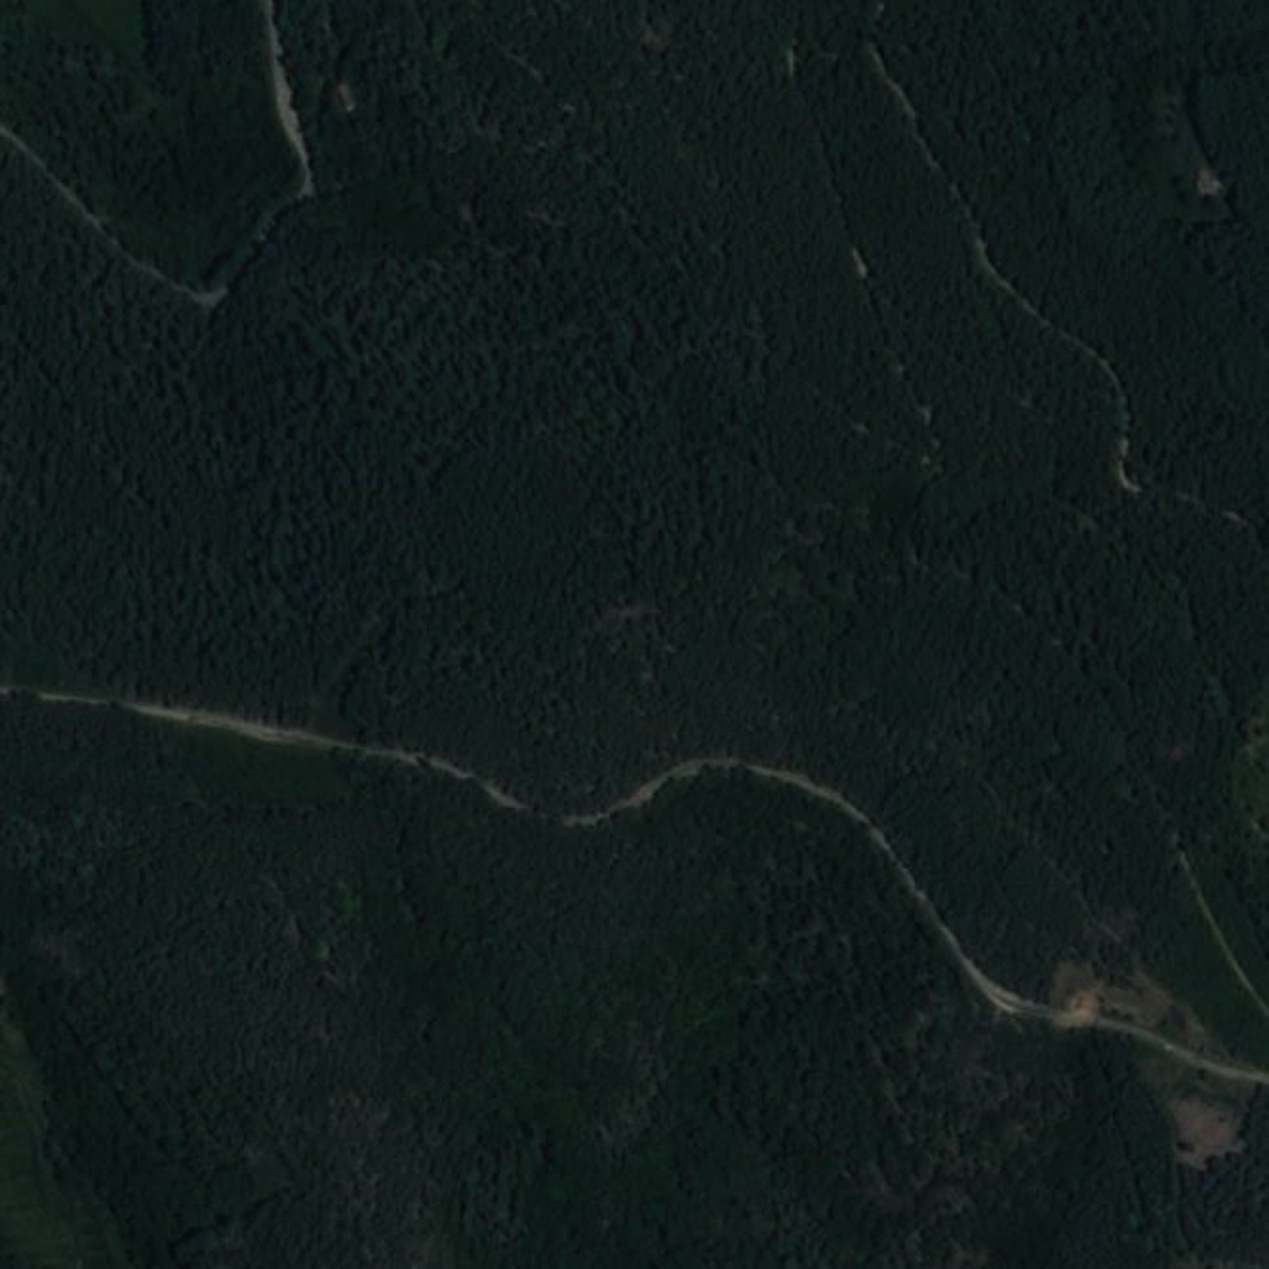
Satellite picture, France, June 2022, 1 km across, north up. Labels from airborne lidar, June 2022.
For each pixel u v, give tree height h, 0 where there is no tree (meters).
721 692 15
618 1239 13
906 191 27
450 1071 24
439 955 26
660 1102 20
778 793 19
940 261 22
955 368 18
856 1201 14
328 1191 10
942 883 22
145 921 20
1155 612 19
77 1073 10
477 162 17
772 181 24
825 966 18
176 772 21
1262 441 18
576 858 19
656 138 16
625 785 16
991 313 13
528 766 18
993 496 26
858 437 16
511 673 19
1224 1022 9
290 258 23
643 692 17
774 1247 15
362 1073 16
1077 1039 8
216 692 22
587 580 19
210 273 8
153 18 32
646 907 22
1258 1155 18
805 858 21
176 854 20
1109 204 33
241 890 17
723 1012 23
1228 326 29
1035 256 23
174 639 23
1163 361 15
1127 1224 24
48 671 8
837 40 30
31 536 27
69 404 23
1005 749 15
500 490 19
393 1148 18
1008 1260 21
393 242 15
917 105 16
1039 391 27
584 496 18
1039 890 16
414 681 24
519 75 17
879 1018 18
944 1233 11
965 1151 14
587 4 16
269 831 14
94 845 7
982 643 25
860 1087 16
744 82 24
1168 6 28
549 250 22
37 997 7
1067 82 27
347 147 17
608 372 22
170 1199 9
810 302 15
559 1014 13
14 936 19
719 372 25
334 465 32
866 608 17
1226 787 14
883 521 17
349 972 19
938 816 29
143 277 23
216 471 31
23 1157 0
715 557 17
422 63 17
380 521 19
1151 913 13
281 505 31
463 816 19
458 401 20
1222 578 20
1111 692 28
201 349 33
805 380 17
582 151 15
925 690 18
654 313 12
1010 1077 16
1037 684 24
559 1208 33
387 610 14
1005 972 15
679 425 12
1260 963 6
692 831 24
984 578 28
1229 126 34
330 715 0
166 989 17
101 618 29
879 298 22
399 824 20
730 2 21
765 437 28
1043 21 33
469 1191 30
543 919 17
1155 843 17
